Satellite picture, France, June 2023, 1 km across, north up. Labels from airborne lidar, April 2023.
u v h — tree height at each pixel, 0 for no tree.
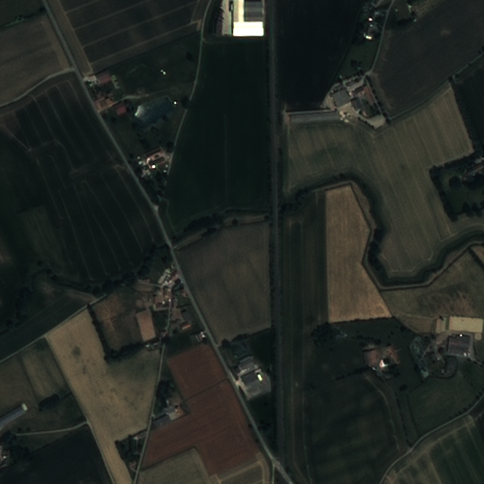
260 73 0
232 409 0
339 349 0
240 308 0
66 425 0
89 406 0
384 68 0
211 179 0
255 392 0
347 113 0
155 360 0
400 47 0
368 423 0
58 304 0
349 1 0
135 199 0
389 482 0
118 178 0
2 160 0
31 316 0
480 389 0
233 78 0
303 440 0
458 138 0
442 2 0
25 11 0
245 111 0
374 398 0
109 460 0
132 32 0
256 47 0
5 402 0
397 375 7
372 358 0
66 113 0
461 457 0
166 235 0
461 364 0
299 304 0
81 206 0
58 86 0
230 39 0
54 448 0
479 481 0
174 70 0
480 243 0
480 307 0
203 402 0
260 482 0
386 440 0
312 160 0
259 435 0
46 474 0
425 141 0
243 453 0
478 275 0
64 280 0
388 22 0
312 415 0
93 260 0
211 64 0
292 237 0
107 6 0
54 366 0
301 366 0
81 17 0
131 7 0
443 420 0
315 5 0
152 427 0
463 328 0
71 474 0
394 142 0
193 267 0
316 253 0
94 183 0
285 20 0
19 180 0
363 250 0
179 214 0
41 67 0
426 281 0
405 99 0
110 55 0
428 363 0
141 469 0
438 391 0
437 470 0
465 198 0
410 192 0
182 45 0
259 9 0
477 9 0
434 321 0
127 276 14
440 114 0
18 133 0
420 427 0
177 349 0
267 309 0
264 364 0
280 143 0
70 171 0
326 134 0
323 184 0
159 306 0
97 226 0
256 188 0
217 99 0
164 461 0
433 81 0
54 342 0
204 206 0
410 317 0
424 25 0
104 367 0
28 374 0
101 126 0
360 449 0
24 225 0
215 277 0
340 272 0
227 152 0
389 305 0
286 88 0
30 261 0
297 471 0
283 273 0
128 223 0
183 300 0
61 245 0
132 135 0
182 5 0
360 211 0
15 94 0
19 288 0
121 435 0
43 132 0
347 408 0
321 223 0
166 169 0
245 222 0
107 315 0
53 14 0
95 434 0
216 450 0
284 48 0
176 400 0
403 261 0
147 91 0
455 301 0
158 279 0
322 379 0
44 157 0
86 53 0
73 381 0
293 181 0
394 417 0
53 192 0
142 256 0
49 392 0
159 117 0
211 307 0
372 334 0
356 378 0
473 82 0
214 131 0
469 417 0
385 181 0
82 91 0
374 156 0
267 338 0
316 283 0
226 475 0
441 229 0
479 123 0
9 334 0
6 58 0
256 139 0
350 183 0
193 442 0
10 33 0
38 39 0
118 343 0
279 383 0
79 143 0
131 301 0
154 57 0
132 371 0
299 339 0
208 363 0
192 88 0
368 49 0
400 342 0
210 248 0
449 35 0
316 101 0
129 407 0
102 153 0
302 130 0
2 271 0
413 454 0
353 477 0
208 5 0
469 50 0
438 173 14
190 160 0
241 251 0
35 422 0
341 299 0
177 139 0
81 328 0
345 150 0
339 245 0
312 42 0
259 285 0
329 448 0
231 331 0
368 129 0
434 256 0
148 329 0
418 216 0
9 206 0
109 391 0
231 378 0
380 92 0
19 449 17
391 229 0
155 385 0
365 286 0
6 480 0
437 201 0
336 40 0
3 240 0
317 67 0
